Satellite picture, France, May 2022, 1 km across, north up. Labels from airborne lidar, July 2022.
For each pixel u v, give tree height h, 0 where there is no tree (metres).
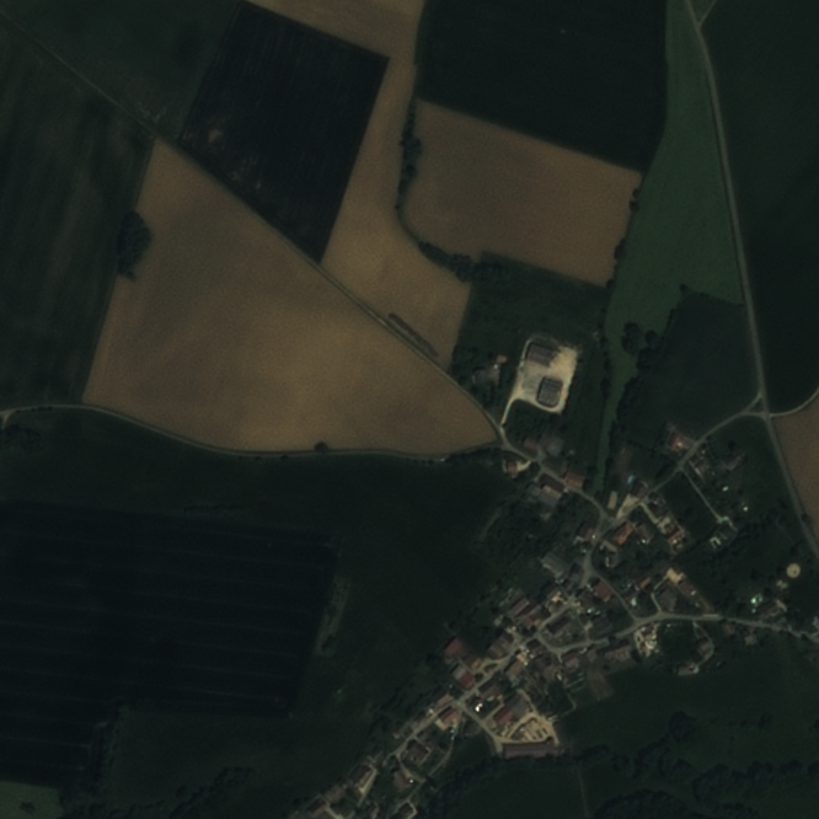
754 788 22
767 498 0
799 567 0
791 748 0
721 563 16
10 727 0
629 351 13
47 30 0
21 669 0
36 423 0
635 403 14
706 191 0
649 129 0
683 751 0
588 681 0
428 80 0
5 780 0
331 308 0
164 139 0
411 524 0
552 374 0
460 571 0
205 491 0
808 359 0
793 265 0
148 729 0
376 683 0
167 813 6
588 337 0
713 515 6
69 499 0
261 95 0
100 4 0
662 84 0
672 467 10
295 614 0
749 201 0
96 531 0
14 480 0
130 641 0
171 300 0
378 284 0
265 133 0
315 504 0
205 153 0
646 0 0
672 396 0
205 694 0
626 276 0
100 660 0
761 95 0
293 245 0
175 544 0
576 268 0
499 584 6
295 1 0
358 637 0
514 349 0
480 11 0
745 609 11
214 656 0
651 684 0
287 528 0
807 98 0
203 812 20
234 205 0
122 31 0
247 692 0
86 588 0
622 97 0
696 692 0
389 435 0
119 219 0
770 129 0
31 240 0
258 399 0
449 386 0
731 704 0
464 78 0
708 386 0
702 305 0
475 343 0
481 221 0
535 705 10
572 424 0
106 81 0
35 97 0
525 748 0
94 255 0
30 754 0
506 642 0
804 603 0
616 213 0
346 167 0
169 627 0
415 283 0
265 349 0
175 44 0
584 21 0
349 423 0
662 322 0
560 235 0
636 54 0
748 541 15
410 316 0
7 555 0
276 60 0
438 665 16
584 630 0
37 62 0
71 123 0
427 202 0
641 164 0
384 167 0
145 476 0
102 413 0
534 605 0
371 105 0
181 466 0
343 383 0
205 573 0
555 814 0
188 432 0
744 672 0
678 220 0
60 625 0
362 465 0
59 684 0
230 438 0
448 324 0
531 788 0
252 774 8
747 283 0
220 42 0
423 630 0
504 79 0
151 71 0
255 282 0
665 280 0
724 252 0
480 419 0
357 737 0
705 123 0
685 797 0
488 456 9
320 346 0
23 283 0
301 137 0
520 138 0
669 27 0
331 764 0
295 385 0
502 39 0
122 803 0
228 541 0
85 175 0
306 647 0
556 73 0
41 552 0
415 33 0
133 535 0
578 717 0
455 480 0
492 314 0
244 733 0
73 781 0
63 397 0
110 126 0
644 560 14
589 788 0
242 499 0
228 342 0
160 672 0
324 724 0
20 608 0
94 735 0
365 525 0
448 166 0
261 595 0
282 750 0
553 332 0
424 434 0
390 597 0
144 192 0
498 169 0
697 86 0
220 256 0
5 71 0
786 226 0
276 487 0
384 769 11
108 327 0
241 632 0
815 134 0
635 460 0
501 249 0
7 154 0
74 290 0
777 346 0
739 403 0
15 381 0
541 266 0
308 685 0
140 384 0
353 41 0
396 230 0
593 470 11
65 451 0
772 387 0
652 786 0
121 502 0
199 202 0
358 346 0
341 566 0
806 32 0
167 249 0
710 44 0
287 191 0
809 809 0
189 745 0
